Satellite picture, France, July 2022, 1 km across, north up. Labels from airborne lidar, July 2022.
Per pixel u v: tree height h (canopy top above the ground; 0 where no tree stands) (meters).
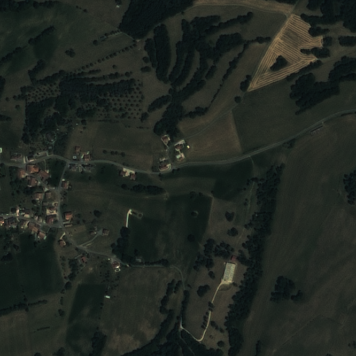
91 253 0
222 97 0
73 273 9
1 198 0
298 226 0
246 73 0
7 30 0
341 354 0
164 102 15
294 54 0
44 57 0
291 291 22
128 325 0
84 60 0
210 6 0
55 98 7
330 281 0
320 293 0
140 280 0
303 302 0
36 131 11
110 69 0
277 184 17
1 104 0
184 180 0
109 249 0
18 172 0
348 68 23
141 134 0
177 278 0
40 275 0
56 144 7
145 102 0
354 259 0
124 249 18
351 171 0
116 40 0
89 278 0
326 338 0
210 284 0
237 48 0
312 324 0
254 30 0
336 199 0
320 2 14
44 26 0
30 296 0
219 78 0
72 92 20
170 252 0
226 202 0
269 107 0
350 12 15
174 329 6
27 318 0
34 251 0
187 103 0
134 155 0
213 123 0
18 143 0
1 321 0
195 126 0
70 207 0
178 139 0
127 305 0
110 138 0
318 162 0
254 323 0
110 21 0
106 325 0
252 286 17
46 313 0
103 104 16
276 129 0
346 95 0
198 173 0
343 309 0
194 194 7
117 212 0
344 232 0
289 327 0
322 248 0
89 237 0
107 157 0
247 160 0
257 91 0
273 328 0
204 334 0
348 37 12
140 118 6
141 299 0
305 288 0
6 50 0
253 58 0
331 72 10
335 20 18
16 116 0
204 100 0
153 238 0
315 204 0
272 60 0
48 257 0
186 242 0
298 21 0
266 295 0
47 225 0
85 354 0
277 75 0
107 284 0
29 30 0
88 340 0
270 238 0
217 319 0
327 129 0
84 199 0
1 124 0
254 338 0
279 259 0
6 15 0
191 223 0
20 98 14
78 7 9
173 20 0
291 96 14
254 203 0
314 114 0
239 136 0
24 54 0
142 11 18
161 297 0
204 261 10
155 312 0
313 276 0
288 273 0
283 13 0
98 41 6
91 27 0
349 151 0
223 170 0
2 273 0
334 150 0
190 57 17
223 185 0
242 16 13
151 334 0
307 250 0
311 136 0
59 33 0
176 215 0
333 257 0
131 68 0
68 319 0
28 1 15
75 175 0
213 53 23
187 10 0
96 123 0
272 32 0
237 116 0
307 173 0
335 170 0
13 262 0
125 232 24
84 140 0
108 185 0
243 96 0
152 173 0
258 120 0
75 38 0
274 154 0
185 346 15
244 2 0
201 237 0
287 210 0
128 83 13
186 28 16
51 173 0
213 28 18
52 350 0
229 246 15
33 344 0
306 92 12
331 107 0
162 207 0
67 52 10
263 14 0
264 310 0
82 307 0
